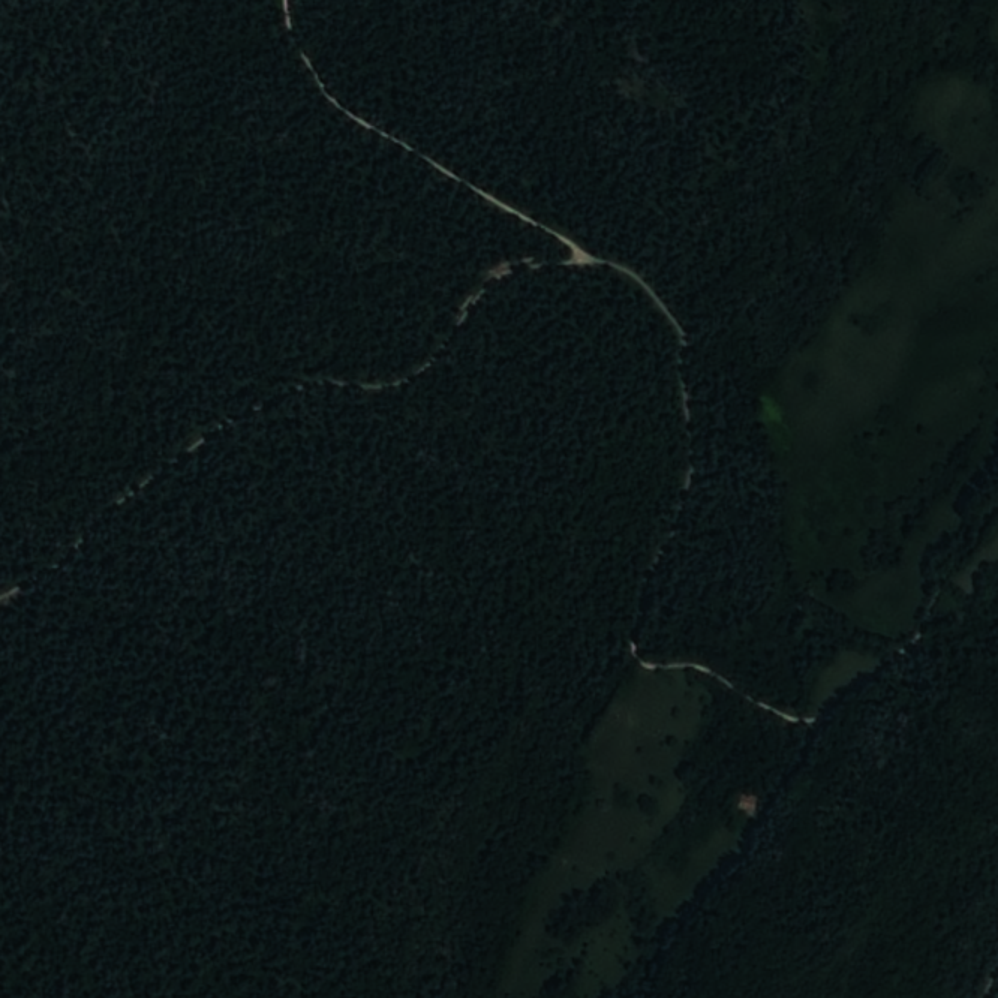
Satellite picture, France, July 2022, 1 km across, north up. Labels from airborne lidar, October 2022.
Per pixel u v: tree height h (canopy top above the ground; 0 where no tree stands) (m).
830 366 0
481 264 24
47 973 13
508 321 9
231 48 6
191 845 26
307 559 9
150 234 16
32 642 14
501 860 30
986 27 10
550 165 9
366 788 13
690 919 26
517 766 23
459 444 10
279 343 12
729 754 13
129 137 19
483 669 13
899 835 14
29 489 21
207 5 11
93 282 22
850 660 0
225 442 17
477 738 11
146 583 13
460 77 16
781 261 28
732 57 15
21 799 21
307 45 18
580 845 0
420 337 22
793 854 25
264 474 16
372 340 12
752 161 12
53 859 25
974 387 0
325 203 17
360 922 14
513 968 0
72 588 20
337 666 15
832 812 14
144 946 9
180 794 20
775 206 15
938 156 23
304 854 17
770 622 6
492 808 29
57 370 16
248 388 8
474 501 15
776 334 13
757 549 20
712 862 0
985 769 17
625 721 0
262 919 24
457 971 27
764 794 10
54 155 12
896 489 0
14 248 22
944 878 13
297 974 15
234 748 17
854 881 9
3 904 16
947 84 0
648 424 22
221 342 16
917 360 0
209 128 17
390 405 13
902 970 19
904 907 19
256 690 6
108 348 11
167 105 12
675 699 0
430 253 9
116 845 19
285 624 22
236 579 28
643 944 26
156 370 11
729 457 25
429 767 20
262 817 13
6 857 8
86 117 8
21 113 9
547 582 12
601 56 6
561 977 7
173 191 13
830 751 25
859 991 19
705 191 7
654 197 18
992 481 25
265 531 16
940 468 6
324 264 12
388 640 13
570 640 17
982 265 0
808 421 0
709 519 16
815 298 19
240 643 13
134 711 17
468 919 29
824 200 29
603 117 19
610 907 11
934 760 10
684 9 8
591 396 16
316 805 13
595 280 20
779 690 7
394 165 14
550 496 21
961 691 15
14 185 11
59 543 25
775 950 11
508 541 17
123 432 17
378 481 20
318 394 10
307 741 8
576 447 19
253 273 12
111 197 25
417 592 24
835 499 0
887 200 15
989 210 0
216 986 6
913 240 0
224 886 13
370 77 12
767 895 23
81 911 11
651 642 17
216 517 26
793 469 0
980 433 6
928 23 27
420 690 20
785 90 17
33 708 13
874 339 0
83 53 25
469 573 20
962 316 0
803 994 11
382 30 13
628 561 13
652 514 18
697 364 32
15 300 8
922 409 0
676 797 0
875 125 28
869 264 11
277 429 16
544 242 16
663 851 7
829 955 9
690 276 17
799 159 14
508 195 14
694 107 14
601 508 16
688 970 20
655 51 14
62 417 10
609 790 0
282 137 20
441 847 20
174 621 14
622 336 16
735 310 8
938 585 22
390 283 14
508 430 13
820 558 0
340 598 10
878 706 24
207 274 15
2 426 15
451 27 19
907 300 0
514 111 15
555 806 18
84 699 18
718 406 31
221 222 18
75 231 17
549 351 20
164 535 24
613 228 21
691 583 25
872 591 0
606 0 6
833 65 7
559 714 28
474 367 11
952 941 14
